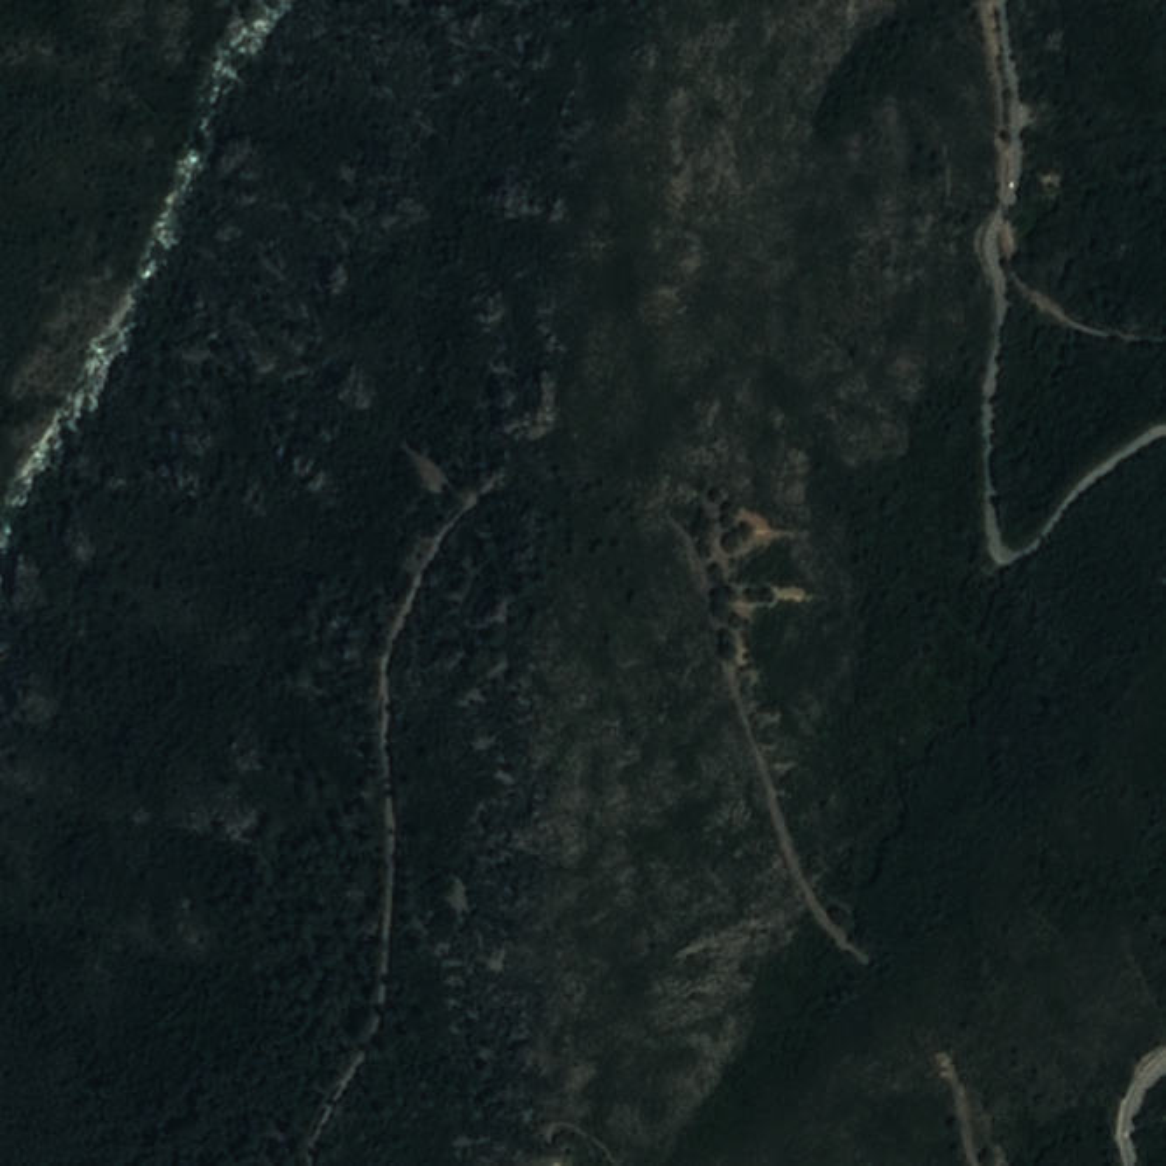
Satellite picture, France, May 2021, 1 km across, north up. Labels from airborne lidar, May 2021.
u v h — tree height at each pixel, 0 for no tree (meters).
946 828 11
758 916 6
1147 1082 0
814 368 0
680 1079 0
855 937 12
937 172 17
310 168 9
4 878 7
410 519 8
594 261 0
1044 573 7
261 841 27
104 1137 8
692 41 0
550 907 0
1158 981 5
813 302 0
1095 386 13
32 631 15
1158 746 6
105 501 6
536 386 8
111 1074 9
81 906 14
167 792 7
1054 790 9
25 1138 22
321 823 6
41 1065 19
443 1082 10
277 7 0
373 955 18
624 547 20
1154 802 19
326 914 29
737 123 0
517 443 6
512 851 7
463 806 6
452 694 7
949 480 9
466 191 7
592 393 0
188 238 8
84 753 9
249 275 5
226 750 7
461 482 13
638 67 0
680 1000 0
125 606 12
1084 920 6
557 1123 0
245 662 5
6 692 7
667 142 0
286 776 19
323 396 6
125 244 7
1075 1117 14
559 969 0
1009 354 12
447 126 7
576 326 0
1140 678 8
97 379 0
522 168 6
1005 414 17
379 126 8
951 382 7
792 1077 7
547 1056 0
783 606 6
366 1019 24
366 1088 6
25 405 9
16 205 8
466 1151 7
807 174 0
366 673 12
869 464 7
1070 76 16
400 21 6
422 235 7
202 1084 21
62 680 9
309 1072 8
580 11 6
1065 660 8
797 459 0
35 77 13
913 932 9
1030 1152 8
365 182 8
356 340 6
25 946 13
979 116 0
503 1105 8
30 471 0
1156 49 16
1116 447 9
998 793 9
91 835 19
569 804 0
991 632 18
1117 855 5
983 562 26
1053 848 6
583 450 0
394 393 6
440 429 7
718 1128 6
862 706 12
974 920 7
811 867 8
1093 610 10
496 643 22
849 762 8
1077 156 16
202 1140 16
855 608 9
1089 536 12
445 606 6
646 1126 0
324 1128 8
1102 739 7
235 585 6
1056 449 10
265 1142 9
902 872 8
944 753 15
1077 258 21
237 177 7
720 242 0
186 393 6
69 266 10
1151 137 15
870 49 10
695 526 10
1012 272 9
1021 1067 16
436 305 8
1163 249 13
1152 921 17
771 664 6
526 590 22
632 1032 0
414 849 6
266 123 6
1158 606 9
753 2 0
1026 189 14
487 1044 11
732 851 6
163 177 11
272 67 6
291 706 8
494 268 7
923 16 6
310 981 28
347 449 8
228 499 7
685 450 0
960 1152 17
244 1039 13
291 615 9
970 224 19
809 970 7
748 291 0
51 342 13
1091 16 19
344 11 9
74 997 6
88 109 5
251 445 9
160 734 13
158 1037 12
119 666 9
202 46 11
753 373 0
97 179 18
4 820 10
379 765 17
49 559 8
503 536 8
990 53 0
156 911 6
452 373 18
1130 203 10
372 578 11
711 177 0
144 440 8
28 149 15
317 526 6
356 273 7
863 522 8
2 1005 22
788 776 6
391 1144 6
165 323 10
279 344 6
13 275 16
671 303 0
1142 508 10
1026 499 17
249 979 6
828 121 12
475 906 7
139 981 12
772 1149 0
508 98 6
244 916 24
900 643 7
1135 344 9
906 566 8
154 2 10
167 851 8
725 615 21
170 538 7
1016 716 15
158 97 15
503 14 9
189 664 16
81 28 8
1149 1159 13
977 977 8
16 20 15
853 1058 0
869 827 12
